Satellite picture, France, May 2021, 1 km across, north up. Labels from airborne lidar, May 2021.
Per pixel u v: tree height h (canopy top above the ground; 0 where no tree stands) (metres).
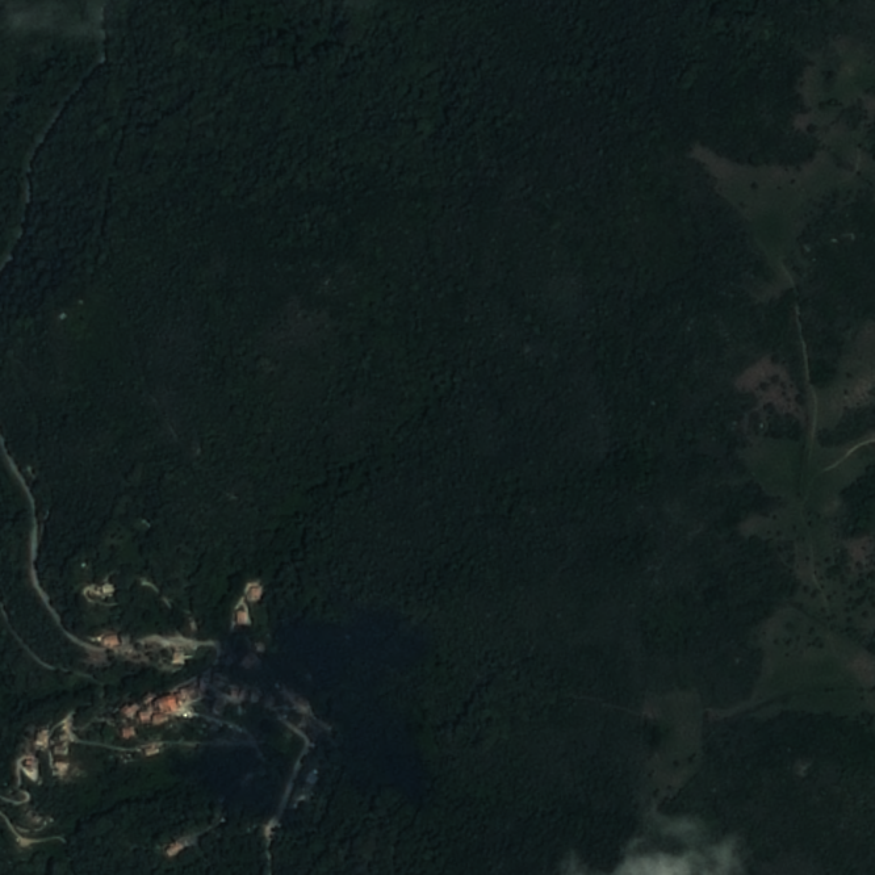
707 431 6
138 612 11
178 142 16
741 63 7
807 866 0
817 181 0
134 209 9
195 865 9
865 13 0
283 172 11
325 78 11
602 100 7
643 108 6
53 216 11
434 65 15
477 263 7
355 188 6
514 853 7
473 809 6
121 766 13
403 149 13
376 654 5
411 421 6
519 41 6
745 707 0
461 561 9
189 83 11
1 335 7
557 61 9
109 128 15
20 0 21
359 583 7
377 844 12
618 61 9
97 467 8
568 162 6
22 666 18
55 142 13
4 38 12
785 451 0
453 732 14
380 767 7
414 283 6
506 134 9
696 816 7
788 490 0
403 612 9
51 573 15
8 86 16
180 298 7
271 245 7
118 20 7
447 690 6
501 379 8
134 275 7
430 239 7
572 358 8
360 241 6
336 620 8
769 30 14
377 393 8
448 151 10
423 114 16
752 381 0
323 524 13
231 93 18
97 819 18
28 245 10
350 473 14
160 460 10
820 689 0
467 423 8
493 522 7
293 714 7
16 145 15
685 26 9
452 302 7
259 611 0
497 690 14
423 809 10
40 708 13
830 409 0
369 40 17
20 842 0
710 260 6
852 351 0
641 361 8
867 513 7
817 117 0
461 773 6
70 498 6
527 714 11
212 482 8
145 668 8
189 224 7
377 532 6
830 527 0
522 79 7
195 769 15
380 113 8
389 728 7
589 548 5
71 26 14
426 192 8
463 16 11
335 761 13
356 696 13
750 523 0
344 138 11
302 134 11
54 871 21
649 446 8
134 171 17
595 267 6
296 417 7
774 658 0
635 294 6
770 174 0
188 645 0
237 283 6
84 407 7
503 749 5
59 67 13
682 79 8
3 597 10
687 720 0
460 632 6
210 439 8
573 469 6
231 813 14
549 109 7
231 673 10
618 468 15
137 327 7
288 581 12
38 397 6
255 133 11
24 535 11
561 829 7
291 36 24
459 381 8
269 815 10
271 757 12
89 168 13
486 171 7
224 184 17
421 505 6
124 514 7
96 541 7
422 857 9
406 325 7
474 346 6
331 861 14
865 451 0
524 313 7
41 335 6
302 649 10
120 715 11
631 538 8
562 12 9
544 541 7
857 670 0
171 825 14
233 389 6
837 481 0
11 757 7
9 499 10
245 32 8
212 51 9
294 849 8
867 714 6
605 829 5
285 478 9
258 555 16
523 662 7
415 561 6
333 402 10
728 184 0
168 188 13
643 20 5
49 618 8
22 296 11
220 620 19
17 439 7
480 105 6
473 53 9
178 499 7
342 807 8
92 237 13
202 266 6
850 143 0
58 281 13
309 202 6
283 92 10
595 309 6
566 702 6
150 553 16
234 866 8
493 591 7
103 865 8
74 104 12
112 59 12
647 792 0
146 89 8
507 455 5
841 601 0
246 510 11
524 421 6
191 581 9
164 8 8
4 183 14
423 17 12
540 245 6
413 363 7
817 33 0
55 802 7
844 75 0
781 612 0
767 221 0
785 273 0
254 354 7
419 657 6
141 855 13
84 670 12
